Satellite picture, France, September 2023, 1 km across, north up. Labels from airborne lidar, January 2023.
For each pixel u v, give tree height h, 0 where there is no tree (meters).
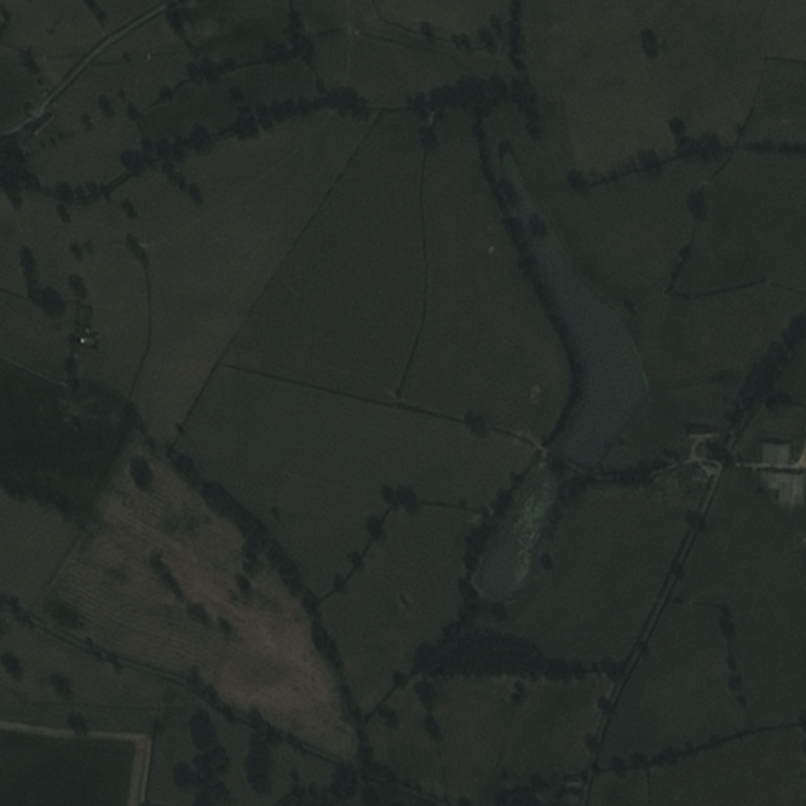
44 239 0
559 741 0
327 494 0
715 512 0
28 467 0
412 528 0
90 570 0
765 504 0
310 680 0
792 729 0
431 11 0
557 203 0
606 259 0
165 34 0
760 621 0
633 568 0
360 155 0
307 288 0
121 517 0
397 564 0
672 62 0
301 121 0
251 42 0
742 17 0
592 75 0
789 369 0
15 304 0
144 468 18
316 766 0
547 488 0
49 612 0
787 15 0
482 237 0
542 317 0
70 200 15
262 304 0
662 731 0
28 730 0
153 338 0
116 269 0
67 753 0
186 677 0
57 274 0
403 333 0
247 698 0
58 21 0
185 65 0
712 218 0
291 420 0
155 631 0
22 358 0
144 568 0
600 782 0
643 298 0
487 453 0
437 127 0
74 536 0
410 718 0
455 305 0
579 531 0
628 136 0
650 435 0
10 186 17
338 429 0
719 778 0
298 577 17
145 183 0
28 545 0
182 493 0
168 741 0
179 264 0
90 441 0
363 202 0
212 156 0
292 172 0
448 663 16
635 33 0
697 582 0
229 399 0
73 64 0
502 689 0
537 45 0
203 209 0
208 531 0
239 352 0
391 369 0
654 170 21
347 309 0
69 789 0
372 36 0
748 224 0
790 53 0
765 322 0
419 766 0
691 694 0
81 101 0
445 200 0
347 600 0
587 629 0
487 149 14
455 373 0
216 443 0
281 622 0
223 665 0
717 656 0
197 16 0
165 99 13
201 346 0
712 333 0
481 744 0
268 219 0
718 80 0
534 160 0
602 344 0
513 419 0
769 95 0
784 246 0
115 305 0
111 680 0
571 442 0
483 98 23
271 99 0
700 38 0
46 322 0
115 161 0
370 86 0
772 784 0
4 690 0
